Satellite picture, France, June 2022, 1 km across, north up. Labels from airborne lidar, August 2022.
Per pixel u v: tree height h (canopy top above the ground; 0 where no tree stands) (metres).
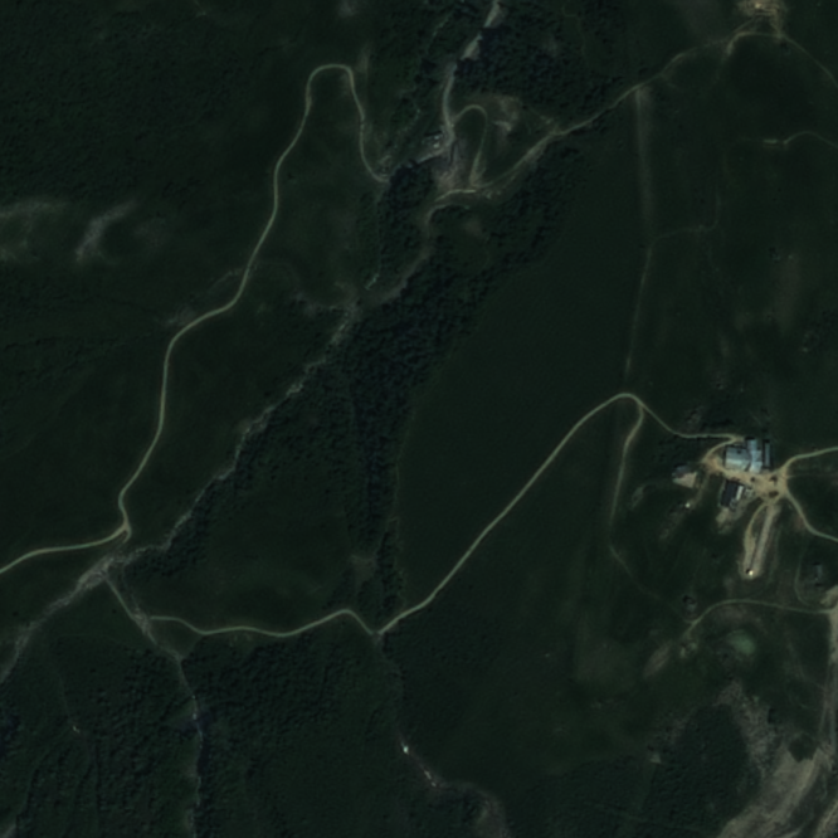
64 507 0
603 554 0
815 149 0
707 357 0
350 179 0
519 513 0
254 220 0
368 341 9
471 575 0
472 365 0
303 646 7
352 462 10
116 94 7
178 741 9
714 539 0
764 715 0
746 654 0
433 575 0
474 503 0
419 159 0
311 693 10
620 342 0
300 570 0
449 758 0
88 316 0
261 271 0
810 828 0
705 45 0
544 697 0
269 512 0
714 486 0
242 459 10
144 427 0
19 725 13
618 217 0
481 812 7
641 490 0
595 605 0
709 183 0
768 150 0
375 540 11
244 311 0
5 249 0
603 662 0
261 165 0
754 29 0
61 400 0
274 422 11
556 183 6
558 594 0
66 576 0
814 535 0
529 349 0
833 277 0
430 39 13
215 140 0
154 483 0
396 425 16
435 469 0
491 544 0
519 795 0
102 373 0
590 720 0
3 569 0
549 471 0
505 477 0
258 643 0
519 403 0
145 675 6
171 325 0
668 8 0
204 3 0
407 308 11
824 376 0
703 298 0
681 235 0
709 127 0
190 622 0
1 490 0
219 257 0
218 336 0
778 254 19
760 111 0
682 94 0
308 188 0
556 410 0
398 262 6
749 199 0
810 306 0
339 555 0
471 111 0
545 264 0
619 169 0
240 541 0
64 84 7
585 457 0
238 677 10
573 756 0
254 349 0
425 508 0
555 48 0
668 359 0
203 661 8
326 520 0
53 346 8
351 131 0
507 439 0
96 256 0
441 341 12
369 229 7
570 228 0
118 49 7
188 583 0
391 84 0
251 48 0
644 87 0
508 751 0
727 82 0
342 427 10
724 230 0
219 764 6
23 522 0
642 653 0
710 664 0
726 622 0
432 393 0
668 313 0
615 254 0
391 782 0
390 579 9
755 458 0
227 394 0
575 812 6
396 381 10
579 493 0
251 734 6
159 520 0
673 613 0
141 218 0
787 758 0
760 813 0
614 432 0
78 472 0
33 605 0
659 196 0
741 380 0
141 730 7
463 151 0
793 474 0
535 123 0
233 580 0
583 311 0
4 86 7
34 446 0
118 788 8
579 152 8
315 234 0
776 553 0
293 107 0
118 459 0
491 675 0
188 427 0
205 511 7
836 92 0
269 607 0
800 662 0
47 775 6
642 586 0
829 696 0
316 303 0
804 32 0
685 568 0
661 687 0
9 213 0
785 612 0
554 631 0
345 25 0
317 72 0
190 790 12
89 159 7
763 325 0
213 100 6
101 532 0
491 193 0
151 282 0
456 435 0
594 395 0
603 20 6
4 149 7
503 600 0
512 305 0
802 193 0
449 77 0
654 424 0
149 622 0
